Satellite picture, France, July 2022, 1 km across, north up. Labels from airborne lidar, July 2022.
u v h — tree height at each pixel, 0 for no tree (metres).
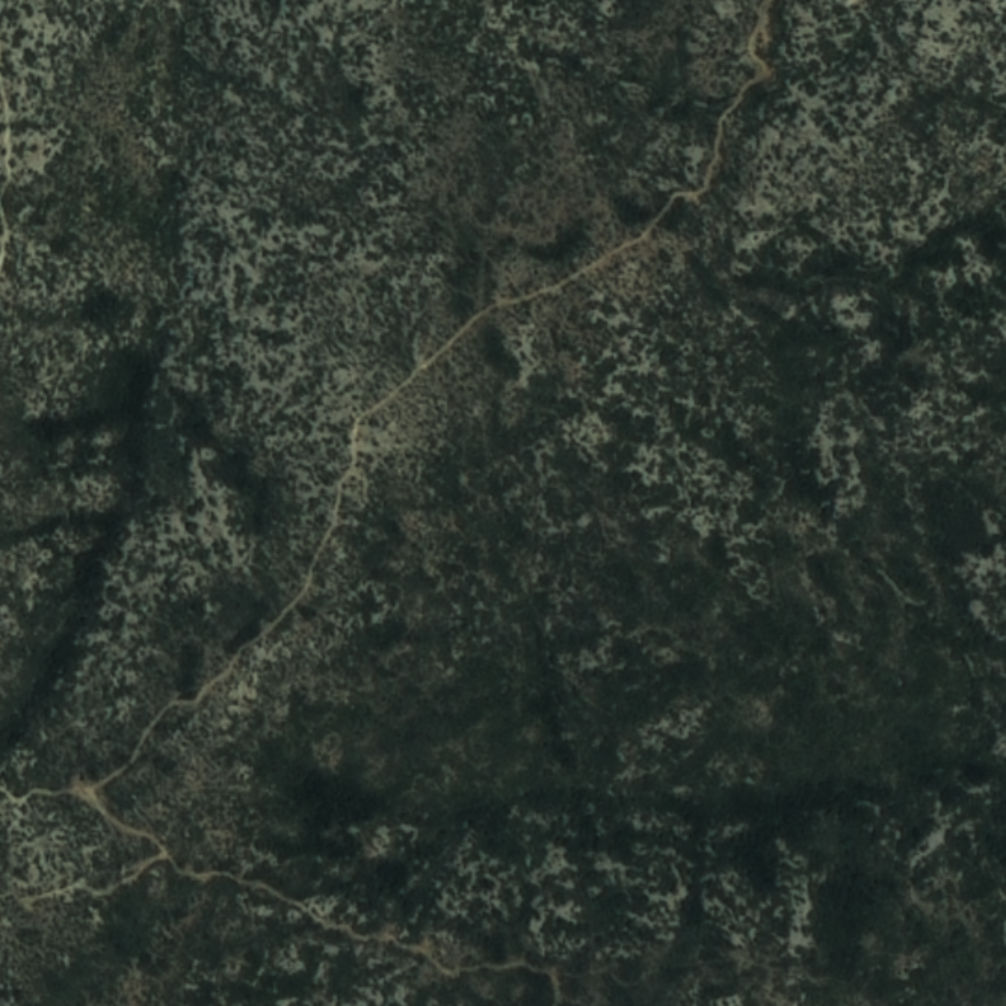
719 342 0
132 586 0
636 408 0
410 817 8
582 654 0
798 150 0
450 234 0
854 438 0
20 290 0
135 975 0
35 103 0
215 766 0
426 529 0
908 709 0
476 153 0
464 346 0
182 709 0
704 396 5
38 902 0
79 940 0
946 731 0
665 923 0
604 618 0
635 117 0
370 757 0
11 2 0
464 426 0
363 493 0
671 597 5
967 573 0
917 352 0
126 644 0
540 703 7
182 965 0
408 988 0
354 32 0
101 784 0
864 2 0
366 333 0
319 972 0
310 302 0
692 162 0
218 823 0
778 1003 0
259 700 0
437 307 0
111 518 7
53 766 0
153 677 0
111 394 6
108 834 0
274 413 0
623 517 0
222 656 0
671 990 0
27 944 0
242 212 0
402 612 0
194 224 0
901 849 5
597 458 0
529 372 0
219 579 0
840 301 0
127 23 6
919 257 6
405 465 0
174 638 0
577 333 0
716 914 0
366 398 0
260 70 0
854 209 0
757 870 6
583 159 0
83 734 0
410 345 0
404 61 0
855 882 6
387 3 0
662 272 0
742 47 0
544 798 6
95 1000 0
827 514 6
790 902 0
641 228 0
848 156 0
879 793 6
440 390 0
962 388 6
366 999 0
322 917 0
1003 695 0
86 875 0
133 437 7
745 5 0
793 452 7
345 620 0
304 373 0
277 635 0
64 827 0
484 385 0
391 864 6
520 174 0
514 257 0
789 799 9
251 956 6
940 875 0
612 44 0
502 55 0
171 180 6
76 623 7
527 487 0
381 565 0
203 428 6
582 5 0
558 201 0
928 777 6
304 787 7
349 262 0
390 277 0
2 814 0
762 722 0
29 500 0
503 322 0
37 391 0
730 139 0
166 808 0
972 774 8
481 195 0
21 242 0
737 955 0
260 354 0
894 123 0
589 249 0
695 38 0
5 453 0
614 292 0
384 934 0
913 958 0
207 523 0
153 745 0
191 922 0
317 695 0
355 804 7
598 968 0
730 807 6
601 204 0
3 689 0
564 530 0
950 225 6
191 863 0
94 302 8
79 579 8
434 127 0
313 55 0
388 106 0
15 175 0
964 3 0
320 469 0
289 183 0
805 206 0
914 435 0
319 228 0
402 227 0
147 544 0
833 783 7
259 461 0
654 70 0
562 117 0
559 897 6
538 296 0
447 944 0
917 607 6
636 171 0
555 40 0
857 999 0
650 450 0
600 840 10
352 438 0
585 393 0
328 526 0
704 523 0
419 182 0
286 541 0
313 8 0
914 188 0
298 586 0
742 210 0
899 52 0
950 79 0
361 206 0
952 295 6
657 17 0
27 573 0
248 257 0
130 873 0
